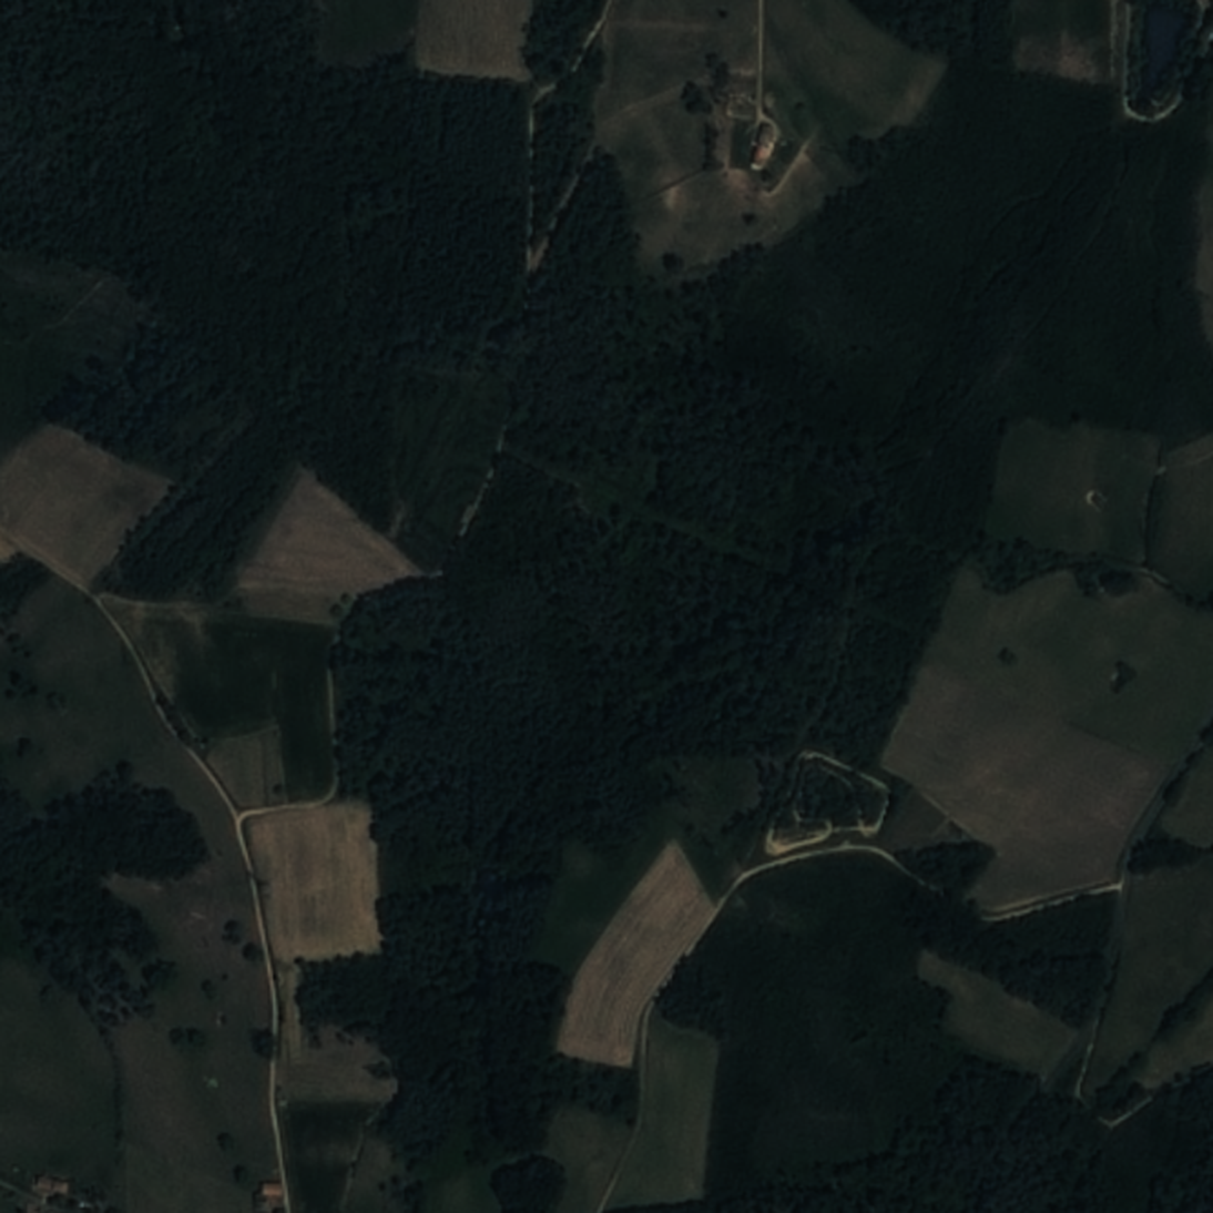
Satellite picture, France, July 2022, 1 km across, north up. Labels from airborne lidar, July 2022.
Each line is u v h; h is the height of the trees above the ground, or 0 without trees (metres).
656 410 20
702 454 18
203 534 9
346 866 0
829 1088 6
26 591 8
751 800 0
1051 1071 0
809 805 13
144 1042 0
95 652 0
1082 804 0
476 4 0
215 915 0
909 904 7
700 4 0
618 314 20
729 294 19
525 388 19
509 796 28
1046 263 7
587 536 9
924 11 15
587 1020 0
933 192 8
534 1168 11
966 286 8
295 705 0
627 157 0
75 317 0
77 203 16
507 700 28
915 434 9
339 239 15
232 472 9
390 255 14
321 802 0
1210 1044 0
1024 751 0
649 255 0
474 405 0
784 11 0
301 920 0
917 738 0
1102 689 0
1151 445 0
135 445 30
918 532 7
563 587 16
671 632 18
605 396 28
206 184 16
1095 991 16
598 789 28
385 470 17
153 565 7
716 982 8
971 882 18
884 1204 21
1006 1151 22
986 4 20
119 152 12
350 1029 14
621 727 23
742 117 0
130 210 12
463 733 29
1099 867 0
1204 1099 18
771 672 15
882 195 10
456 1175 0
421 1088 27
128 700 0
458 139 22
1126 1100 16
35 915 7
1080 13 0
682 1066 0
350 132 13
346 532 0
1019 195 7
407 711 25
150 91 18
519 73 0
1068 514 0
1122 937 0
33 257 8
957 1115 21
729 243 0
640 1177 0
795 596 21
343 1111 0
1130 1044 0
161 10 20
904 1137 16
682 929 0
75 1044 0
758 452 18
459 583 13
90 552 0
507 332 21
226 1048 0
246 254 13
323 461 14
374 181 18
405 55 10
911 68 0
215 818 0
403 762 20
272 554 0
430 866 6
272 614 0
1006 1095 23
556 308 22
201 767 0
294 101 12
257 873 0
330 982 11
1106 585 17
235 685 0
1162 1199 18
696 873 0
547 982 21
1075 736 0
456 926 23
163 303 14
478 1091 30
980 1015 0
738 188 0
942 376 8
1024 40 0
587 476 17
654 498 18
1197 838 0
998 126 7
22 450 0
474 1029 26
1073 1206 8
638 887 0
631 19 0
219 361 11
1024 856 0
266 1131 0
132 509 0
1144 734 0
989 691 0
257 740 0
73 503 0
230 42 21
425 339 26
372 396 14
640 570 8
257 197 13
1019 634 0
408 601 21
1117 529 0
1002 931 7
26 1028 0
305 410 14
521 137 19
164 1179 0
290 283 13
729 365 9
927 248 8
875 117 0
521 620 19
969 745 0
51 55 14
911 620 12
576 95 8
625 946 0
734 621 24
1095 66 0
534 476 17
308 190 17
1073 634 0
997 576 8
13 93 16
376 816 6
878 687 10
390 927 16
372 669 27
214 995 8
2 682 0
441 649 25
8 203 8
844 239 9
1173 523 0
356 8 0
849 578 14
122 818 15
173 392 24
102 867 21
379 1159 0
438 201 12
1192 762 8
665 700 10
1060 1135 19
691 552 23
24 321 0
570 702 23
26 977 0
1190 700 0
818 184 0
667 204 0
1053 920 7
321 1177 0
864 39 0
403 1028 26
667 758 20
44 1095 0
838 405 10
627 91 0
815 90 0
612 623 17
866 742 12
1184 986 0
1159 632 0
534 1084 18
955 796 0
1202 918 0
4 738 0
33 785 0
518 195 9
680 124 0
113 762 0
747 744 10
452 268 10
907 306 8
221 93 23
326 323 17
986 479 6
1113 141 6
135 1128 0
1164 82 12
